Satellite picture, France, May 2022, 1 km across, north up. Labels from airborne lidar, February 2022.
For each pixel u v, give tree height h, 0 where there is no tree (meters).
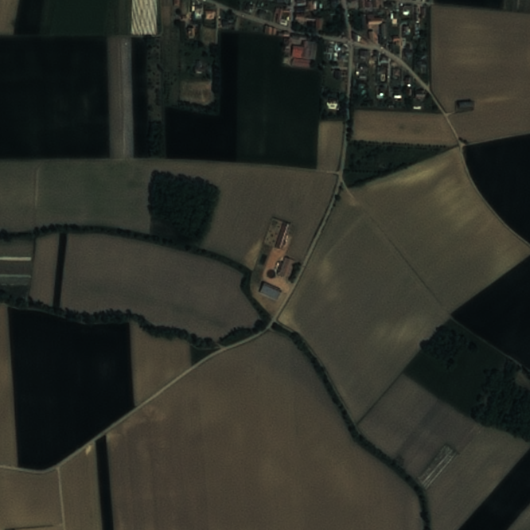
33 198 0
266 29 0
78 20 0
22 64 0
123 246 0
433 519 0
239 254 0
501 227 0
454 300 0
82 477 0
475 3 0
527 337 0
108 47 0
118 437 0
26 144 0
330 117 9
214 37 0
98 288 0
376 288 0
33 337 0
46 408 0
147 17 0
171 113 0
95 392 0
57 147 0
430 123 0
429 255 0
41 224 0
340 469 0
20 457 0
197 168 0
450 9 0
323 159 0
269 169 0
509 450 0
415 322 0
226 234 0
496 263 0
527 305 0
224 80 0
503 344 0
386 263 0
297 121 0
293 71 0
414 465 0
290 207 0
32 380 0
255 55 0
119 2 0
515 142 0
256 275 0
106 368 0
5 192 0
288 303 0
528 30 0
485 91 0
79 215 0
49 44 0
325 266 0
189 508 0
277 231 0
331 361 0
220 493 0
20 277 0
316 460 0
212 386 0
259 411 0
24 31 0
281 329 7
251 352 0
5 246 0
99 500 0
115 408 0
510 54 0
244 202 0
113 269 0
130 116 0
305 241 0
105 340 0
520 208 0
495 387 17
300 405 0
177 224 22
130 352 0
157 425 0
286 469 0
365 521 0
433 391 0
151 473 0
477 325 0
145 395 0
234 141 0
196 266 0
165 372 0
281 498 0
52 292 0
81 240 0
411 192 0
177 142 0
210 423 0
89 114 0
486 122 0
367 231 0
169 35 0
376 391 0
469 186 0
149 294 0
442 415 0
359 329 0
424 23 0
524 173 0
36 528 0
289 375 0
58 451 0
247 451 0
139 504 0
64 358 0
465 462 0
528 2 0
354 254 0
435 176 0
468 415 0
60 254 0
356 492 0
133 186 0
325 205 0
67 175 0
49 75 0
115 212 0
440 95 0
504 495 0
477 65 0
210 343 14
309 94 0
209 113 15
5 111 0
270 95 0
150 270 0
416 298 0
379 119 0
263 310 0
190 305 0
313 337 0
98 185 0
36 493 0
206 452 0
